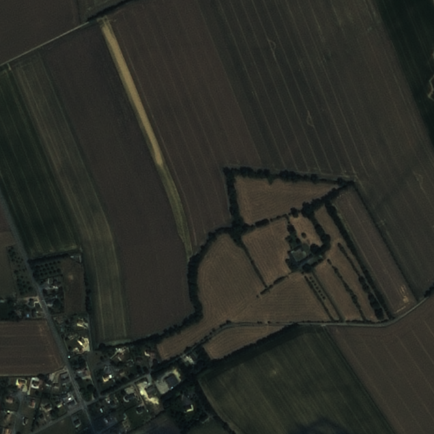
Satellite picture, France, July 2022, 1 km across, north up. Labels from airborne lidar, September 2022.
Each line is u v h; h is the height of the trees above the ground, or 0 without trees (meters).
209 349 0
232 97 0
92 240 0
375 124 0
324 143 0
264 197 0
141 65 0
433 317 0
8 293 0
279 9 0
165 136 0
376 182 0
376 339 0
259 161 0
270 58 0
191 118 0
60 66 0
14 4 0
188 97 0
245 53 0
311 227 0
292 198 0
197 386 15
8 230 0
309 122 0
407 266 0
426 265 0
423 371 0
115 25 0
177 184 0
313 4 0
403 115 0
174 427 0
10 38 0
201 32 0
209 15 0
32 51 0
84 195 0
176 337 0
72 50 0
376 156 0
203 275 0
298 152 0
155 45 0
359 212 0
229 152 0
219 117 0
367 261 0
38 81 0
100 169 0
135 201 0
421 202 0
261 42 0
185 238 0
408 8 0
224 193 0
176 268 0
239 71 0
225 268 0
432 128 0
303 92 0
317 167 0
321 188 0
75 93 0
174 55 0
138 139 0
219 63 0
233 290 0
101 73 0
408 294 0
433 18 0
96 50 0
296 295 0
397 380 0
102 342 0
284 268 0
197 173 0
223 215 0
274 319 0
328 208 15
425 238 0
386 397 0
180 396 13
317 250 18
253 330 0
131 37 0
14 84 0
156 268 0
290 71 0
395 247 0
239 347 0
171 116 0
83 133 0
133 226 0
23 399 0
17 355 0
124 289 0
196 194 0
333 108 0
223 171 0
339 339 0
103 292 0
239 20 0
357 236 0
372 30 0
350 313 0
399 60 0
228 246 0
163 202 0
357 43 0
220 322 0
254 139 0
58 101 0
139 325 0
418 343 0
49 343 0
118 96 0
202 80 0
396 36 0
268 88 0
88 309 14
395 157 0
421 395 0
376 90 0
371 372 0
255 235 0
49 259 10
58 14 0
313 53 0
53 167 0
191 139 0
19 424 0
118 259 0
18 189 0
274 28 0
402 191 0
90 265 0
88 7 0
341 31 0
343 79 0
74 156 0
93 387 11
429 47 0
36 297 0
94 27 0
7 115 0
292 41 0
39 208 0
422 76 0
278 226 0
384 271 0
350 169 0
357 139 0
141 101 0
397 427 0
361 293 0
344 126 0
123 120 0
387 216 0
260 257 0
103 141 0
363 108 0
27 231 0
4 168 0
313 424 0
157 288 0
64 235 0
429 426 0
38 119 0
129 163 0
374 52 0
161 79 0
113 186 0
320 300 6
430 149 0
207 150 0
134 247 0
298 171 0
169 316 0
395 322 0
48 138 0
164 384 0
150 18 0
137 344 12
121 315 0
